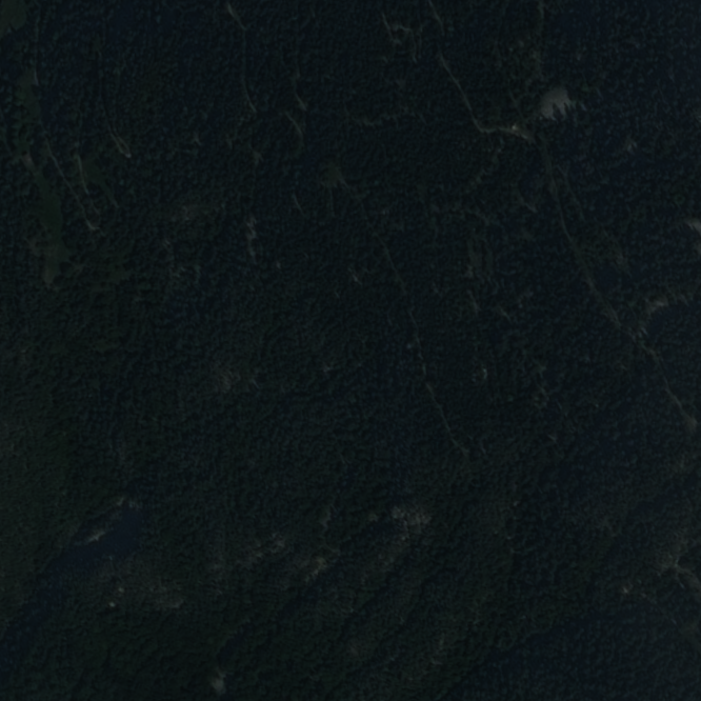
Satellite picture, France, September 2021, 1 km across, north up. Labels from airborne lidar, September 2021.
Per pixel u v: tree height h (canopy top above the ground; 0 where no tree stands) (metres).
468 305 9
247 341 20
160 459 9
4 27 0
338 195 14
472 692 20
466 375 10
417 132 9
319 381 23
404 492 17
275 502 23
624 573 20
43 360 14
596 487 22
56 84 9
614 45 26
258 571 25
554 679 28
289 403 18
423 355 8
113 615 22
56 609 18
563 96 0
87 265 20
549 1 17
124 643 25
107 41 10
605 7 13
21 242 17
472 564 15
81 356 17
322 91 13
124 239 20
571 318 31
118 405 28
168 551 16
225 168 16
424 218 8
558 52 6
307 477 17
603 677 17
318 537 24
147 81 15
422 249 8
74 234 12
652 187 9
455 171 13
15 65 22
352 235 19
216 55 11
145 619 19
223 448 21
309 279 10
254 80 17
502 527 7
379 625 12
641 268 29
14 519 15
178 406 13
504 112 6
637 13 7
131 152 12
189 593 18
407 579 12
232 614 21
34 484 18
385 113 7
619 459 30
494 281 9
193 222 17
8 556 13
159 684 34
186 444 28
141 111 11
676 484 24
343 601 21
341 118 6
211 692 16
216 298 16
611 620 16
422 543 9
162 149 14
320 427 22
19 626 12
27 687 19
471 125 11
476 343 11
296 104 13
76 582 12
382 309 11
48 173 14
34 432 10
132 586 15
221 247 23
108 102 17
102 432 32
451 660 24
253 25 21
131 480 15
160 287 24
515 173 9
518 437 31
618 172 9
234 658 27
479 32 5
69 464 20
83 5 27
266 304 19
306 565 18
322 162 15
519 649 20
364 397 18
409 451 10
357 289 13
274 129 21
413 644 14
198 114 9
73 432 26
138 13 21
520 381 27
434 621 13
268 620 11
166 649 27
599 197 9
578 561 25
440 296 8
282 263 9
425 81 10
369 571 16
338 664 16
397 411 18
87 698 32
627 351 24
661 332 31
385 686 13
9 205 14
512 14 12
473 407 14
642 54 7
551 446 30
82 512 12
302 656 21
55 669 20
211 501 15
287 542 13
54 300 23
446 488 14
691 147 27
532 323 19
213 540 16
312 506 18
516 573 19
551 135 10
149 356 31
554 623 20
